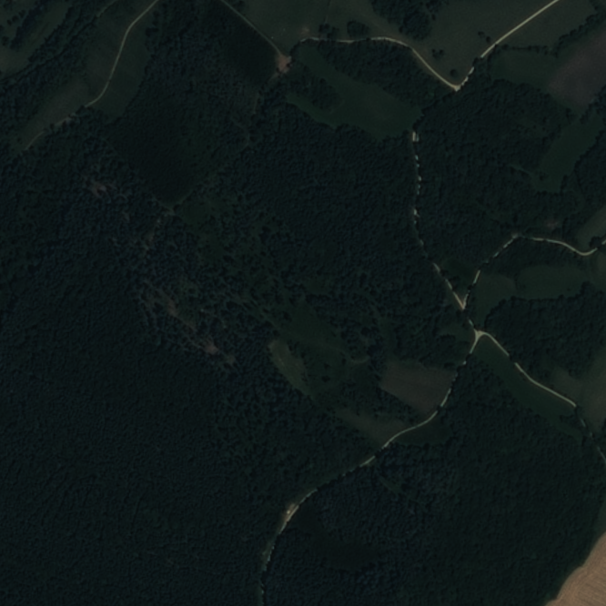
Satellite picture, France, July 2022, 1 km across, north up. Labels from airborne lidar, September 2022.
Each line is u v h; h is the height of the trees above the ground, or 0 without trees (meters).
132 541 14
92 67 0
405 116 0
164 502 18
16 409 25
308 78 16
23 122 17
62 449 22
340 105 14
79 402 21
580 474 14
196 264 26
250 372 31
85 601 19
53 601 19
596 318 17
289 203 17
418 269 8
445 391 0
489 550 16
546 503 17
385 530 17
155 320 29
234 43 8
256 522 19
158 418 19
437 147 19
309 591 29
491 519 15
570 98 0
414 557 22
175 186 18
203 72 21
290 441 26
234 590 22
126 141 15
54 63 16
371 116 0
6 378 30
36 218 23
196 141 7
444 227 22
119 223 32
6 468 20
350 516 22
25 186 27
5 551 23
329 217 9
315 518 7
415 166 16
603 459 17
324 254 23
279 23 0
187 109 14
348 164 15
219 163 13
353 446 24
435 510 19
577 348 18
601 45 0
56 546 22
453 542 22
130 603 21
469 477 15
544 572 12
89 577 21
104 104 0
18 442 17
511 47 12
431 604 13
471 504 18
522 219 16
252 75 7
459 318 17
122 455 20
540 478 16
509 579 18
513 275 8
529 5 0
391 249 21
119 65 0
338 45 16
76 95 0
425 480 22
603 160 15
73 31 9
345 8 0
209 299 22
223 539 19
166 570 20
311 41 13
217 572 18
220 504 22
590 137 0
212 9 6
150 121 15
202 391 21
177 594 24
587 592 0
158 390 20
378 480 25
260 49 7
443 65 0
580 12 0
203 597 22
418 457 17
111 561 20
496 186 17
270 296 15
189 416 23
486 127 18
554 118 7
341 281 19
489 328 17
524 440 11
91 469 24
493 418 15
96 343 23
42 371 21
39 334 19
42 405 23
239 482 23
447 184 19
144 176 17
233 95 10
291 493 24
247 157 21
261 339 35
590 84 0
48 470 16
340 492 23
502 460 18
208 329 30
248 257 8
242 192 19
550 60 0
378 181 12
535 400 0
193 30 21
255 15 0
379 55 20
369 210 25
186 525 17
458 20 0
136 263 29
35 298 28
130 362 18
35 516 13
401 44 16
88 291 19
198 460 25
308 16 0
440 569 23
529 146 16
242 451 21
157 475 22
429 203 21
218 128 20
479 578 17
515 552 16
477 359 14
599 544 0
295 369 0
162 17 22
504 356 0
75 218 30
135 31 0
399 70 17
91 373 23
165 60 21
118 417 22
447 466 18
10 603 19
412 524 21
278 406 29
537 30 0
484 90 7
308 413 23
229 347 32
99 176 26
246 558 20
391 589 14
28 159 24
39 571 18
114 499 17
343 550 7
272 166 17
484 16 0
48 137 8
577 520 15
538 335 19
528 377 8
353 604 19
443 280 16
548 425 18
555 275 0
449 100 19
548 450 15
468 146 19
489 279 0
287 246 26
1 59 0
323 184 23
